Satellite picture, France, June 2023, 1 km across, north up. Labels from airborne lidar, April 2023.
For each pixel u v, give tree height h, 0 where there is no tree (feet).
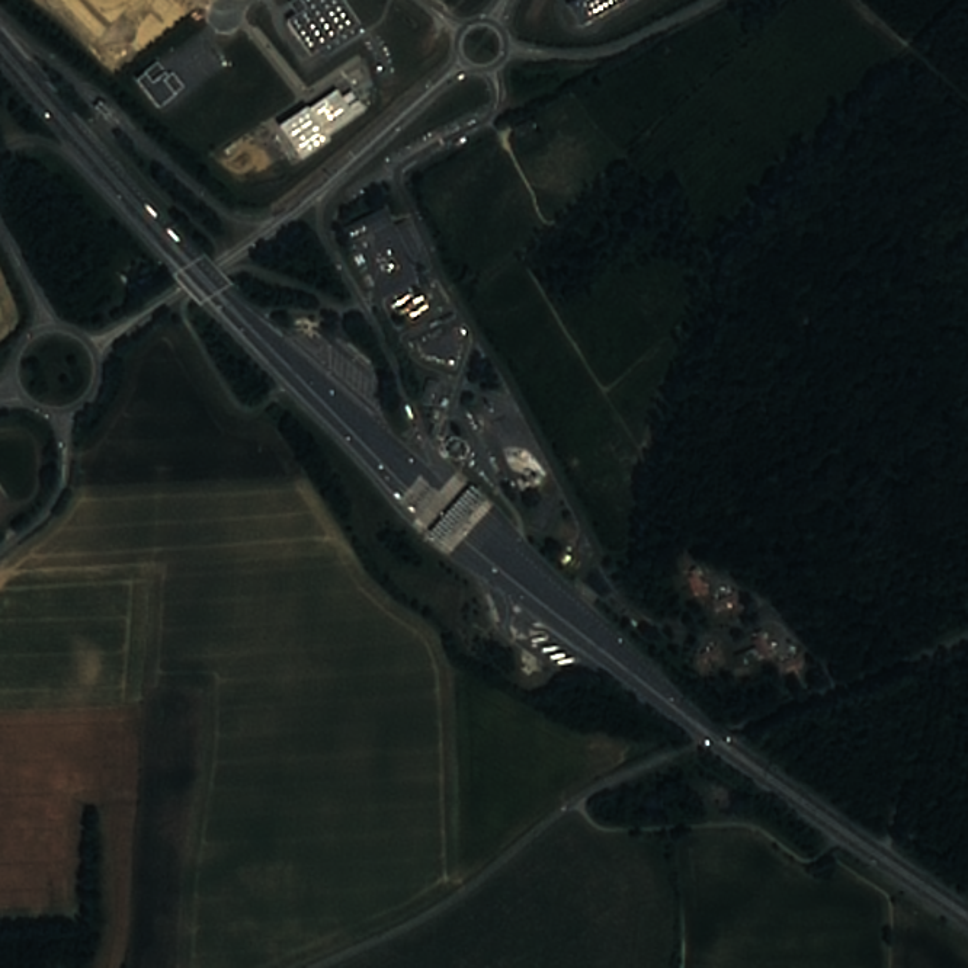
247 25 0
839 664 57
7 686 0
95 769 0
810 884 0
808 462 59
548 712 40
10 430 0
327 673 0
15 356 0
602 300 0
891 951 0
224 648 0
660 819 37
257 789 0
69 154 0
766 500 83
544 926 0
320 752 0
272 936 0
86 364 0
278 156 0
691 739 20
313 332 0
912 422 61
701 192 0
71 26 0
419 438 0
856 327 69
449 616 0
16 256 0
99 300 28
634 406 0
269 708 0
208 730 0
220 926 0
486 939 0
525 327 0
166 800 0
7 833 0
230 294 0
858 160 59
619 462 0
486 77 0
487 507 0
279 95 0
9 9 28
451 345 0
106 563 0
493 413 0
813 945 0
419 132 0
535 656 0
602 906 0
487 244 0
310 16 0
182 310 0
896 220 71
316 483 32
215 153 0
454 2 0
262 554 0
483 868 0
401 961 0
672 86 0
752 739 40
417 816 0
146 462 0
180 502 0
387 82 0
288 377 0
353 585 0
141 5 0
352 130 0
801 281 75
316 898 0
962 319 53
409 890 0
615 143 0
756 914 0
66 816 0
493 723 0
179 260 0
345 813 0
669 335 0
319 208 0
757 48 0
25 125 34
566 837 0
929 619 73
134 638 0
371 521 0
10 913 0
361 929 0
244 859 0
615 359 0
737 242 98
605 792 31
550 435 21
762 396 60
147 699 0
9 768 0
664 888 0
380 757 0
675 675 40
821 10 0
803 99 0
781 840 0
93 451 0
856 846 0
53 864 0
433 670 0
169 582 0
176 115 0
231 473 0
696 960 0
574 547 0
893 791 49
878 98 66
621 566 42
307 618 0
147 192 0
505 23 0
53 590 0
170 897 0
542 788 0
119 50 0
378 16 0
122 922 0
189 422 0
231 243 0
